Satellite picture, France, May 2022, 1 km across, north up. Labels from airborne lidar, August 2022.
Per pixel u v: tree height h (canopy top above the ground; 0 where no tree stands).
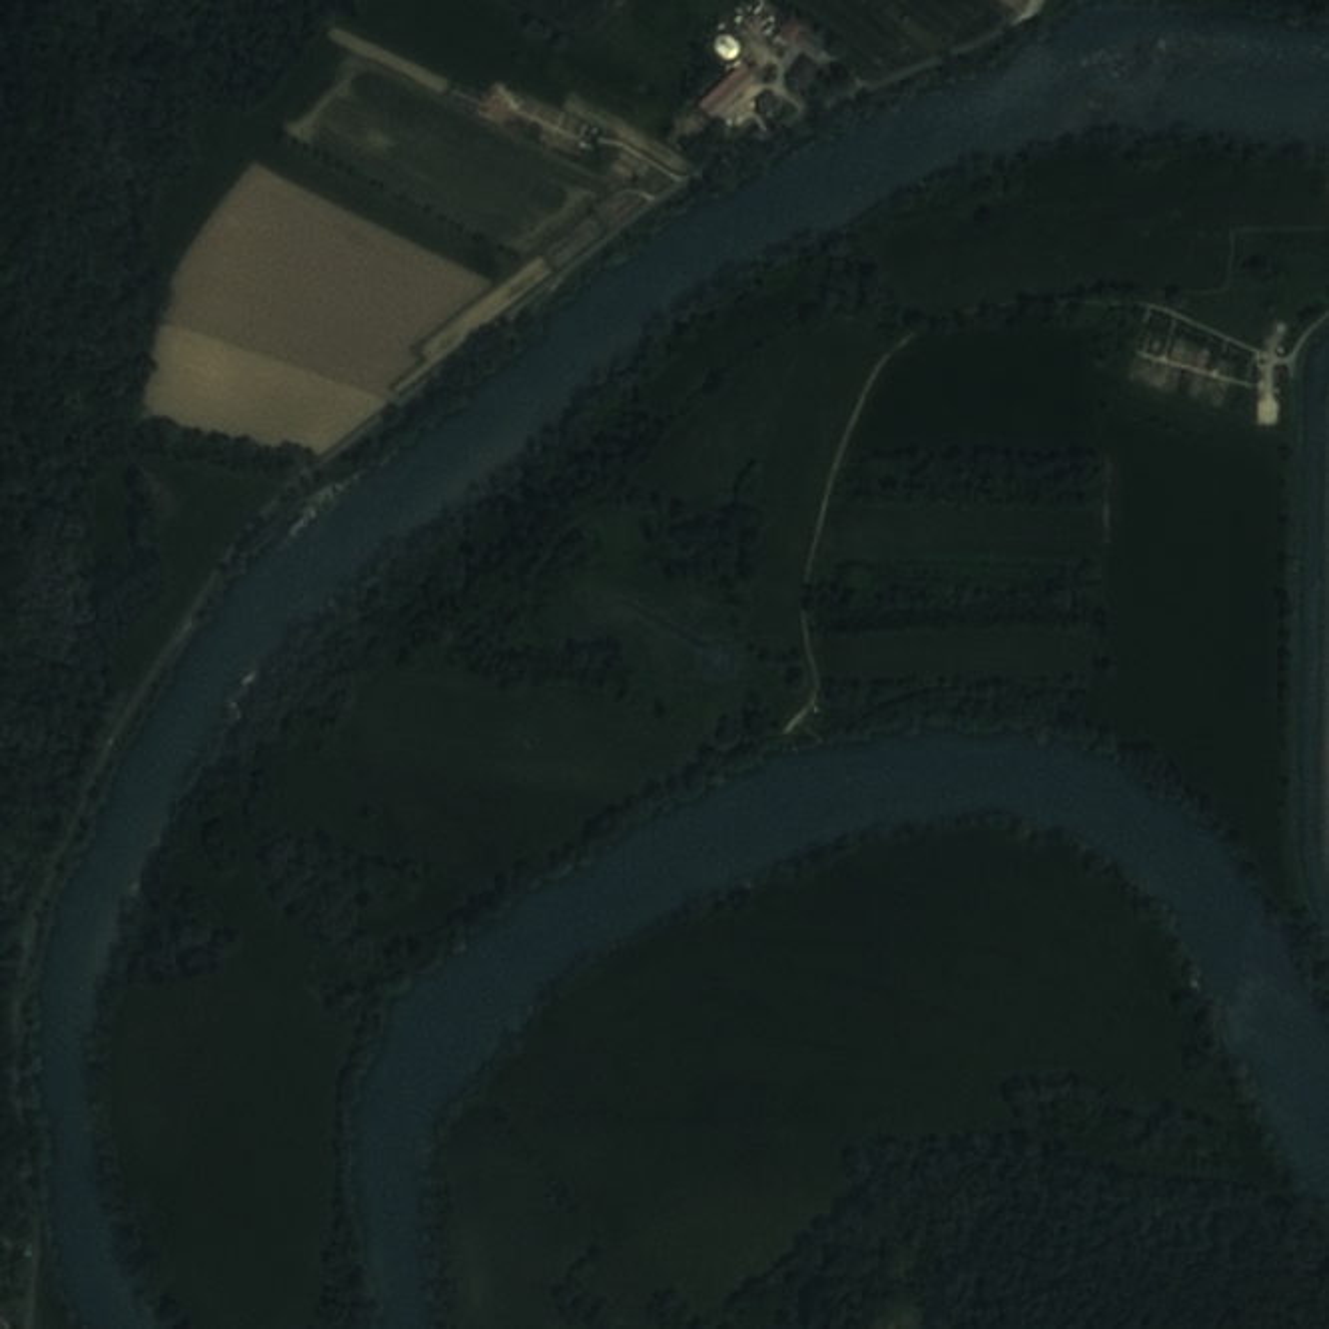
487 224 0
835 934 0
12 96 29
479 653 11
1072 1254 11
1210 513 0
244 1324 0
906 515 0
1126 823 0
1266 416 0
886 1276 9
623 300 0
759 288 9
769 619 0
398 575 13
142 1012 0
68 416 19
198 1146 0
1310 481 0
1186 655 0
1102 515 0
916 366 0
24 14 11
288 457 20
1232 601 0
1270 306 6
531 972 0
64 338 19
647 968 0
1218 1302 14
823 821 0
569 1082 0
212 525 0
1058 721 11
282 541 0
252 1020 0
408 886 21
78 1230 0
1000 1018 0
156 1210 0
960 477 10
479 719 0
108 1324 0
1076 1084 16
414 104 0
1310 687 0
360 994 13
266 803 15
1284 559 13
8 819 30
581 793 0
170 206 0
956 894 0
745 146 15
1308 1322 14
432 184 0
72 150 24
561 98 0
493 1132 0
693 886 0
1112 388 0
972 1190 19
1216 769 0
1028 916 0
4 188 28
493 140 0
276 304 0
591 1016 0
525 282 0
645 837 0
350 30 0
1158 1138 22
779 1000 0
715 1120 0
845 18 0
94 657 34
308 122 0
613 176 0
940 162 0
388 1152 0
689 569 18
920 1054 0
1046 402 0
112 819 0
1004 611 10
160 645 0
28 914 10
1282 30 0
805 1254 18
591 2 0
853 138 0
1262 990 0
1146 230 0
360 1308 14
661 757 0
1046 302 11
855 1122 0
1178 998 14
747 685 0
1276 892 0
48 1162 9
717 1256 0
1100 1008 0
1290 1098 0
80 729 10
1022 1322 18
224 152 0
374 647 25
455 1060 0
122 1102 0
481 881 0
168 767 0
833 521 0
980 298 0
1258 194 0
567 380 0
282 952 0
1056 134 0
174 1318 16
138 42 21
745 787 0
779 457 0
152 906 16
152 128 26
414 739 0
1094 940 0
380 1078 0
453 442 0
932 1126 0
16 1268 9
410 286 0
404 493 0
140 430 6
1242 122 0
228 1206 0
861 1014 0
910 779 0
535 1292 0
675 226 0
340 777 0
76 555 19
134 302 27
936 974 0
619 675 8
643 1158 0
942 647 0
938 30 0
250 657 0
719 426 0
